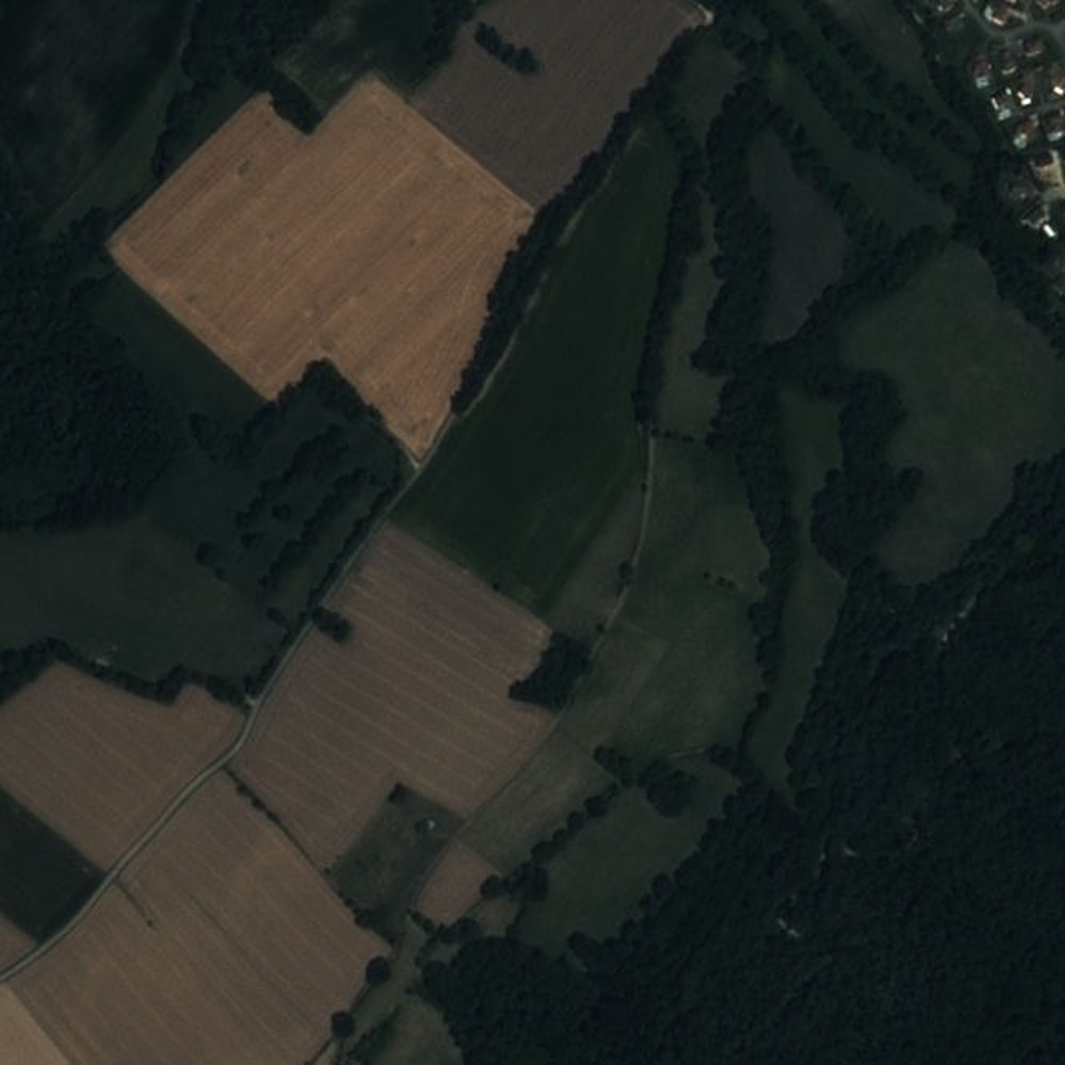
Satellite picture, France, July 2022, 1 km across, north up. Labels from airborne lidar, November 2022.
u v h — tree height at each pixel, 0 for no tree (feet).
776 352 71
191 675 32
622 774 43
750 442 58
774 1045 25
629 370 0
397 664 0
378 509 43
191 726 0
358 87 0
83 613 0
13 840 0
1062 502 73
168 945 0
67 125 0
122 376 78
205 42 80
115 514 79
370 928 49
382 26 0
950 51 0
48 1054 0
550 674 41
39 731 0
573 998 110
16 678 60
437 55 52
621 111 0
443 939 52
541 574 0
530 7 0
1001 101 0
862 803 93
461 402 54
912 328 0
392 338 0
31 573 0
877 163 0
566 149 0
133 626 0
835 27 59
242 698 45
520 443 0
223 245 0
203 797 0
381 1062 0
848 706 46
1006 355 0
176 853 0
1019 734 72
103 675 44
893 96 88
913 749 40
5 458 70
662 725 0
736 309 67
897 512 68
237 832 0
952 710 58
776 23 74
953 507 0
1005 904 69
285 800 0
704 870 79
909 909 32
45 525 52
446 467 0
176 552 0
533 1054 20
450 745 0
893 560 0
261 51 80
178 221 0
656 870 0
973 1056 64
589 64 0
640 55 0
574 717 0
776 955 61
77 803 0
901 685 53
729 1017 41
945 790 72
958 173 0
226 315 0
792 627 0
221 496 0
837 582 0
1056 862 108
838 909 92
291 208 0
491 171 0
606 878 0
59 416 75
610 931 0
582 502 0
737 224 75
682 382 0
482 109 0
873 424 90
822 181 72
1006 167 46
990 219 58
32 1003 0
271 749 0
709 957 43
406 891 0
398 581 0
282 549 0
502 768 0
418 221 0
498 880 37
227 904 0
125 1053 0
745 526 0
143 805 0
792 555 30
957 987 28
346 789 0
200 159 0
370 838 0
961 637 40
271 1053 0
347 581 0
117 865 0
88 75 0
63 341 81
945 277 0
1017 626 52
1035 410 0
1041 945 64
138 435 72
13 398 78
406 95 0
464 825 0
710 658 0
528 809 0
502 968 87
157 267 0
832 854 59
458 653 0
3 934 0
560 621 0
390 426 0
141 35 0
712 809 0
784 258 0
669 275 53
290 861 0
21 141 0
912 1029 70
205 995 0
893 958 35
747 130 60
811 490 0
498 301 54
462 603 0
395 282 0
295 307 0
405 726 0
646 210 0
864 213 67
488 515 0
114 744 0
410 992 20
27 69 0
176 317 0
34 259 73
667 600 0
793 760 65
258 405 0
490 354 53
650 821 0
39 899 0
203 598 0
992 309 0
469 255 0
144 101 0
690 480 0
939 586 19
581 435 0
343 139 0
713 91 0
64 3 0
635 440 0
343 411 56
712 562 0
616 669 0
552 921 0
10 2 0
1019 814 60
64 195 0
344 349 0
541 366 0
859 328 0
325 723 0
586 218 0
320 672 0
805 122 0
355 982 0
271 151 0
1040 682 66
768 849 78
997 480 0
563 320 0
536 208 0
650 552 0
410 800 0
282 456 0
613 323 0
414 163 0
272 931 0
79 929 0
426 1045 0
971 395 0
